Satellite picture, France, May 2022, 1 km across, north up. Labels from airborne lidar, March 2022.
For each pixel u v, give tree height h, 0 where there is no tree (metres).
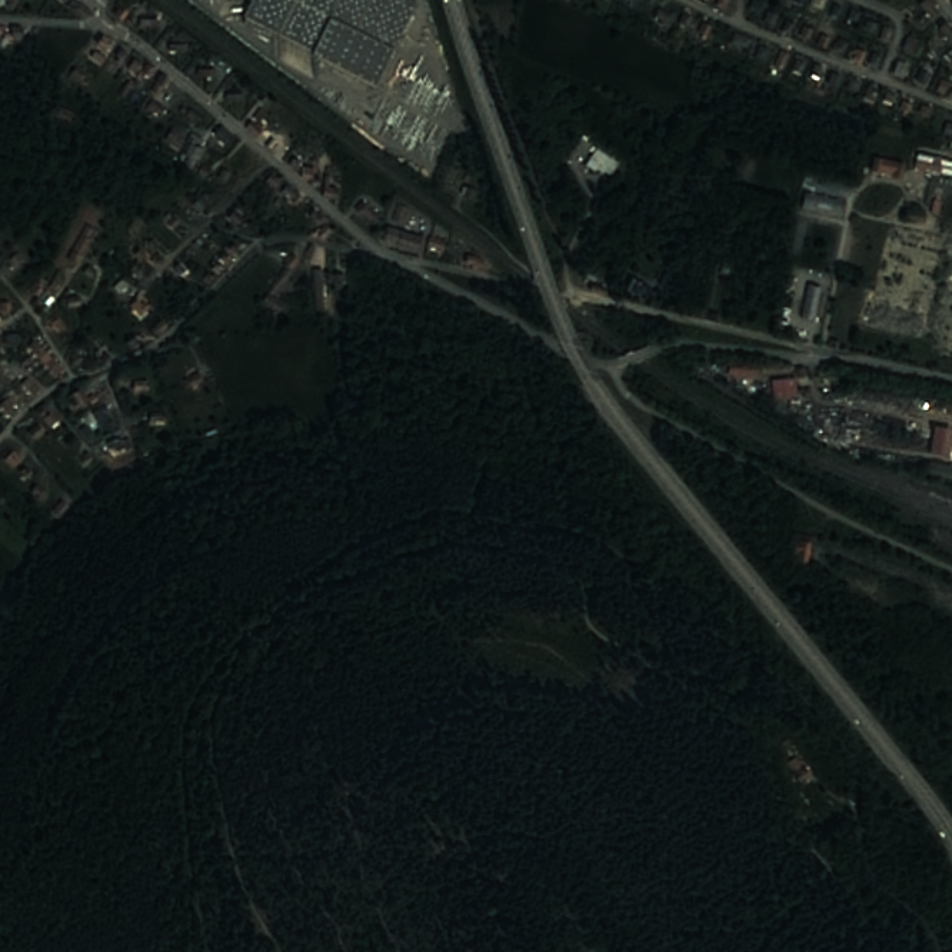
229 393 0
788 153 22
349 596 28
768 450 0
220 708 9
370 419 29
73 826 9
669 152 16
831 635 20
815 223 0
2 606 16
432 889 8
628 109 7
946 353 0
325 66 0
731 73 7
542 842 26
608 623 36
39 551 9
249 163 0
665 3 0
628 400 0
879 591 0
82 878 10
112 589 16
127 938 11
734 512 11
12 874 16
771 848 29
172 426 0
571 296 0
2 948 11
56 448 0
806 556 0
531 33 0
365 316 7
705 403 0
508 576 29
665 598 31
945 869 15
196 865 14
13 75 14
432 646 12
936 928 14
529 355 22
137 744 17
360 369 24
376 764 7
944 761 20
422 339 20
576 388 7
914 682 7
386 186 0
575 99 13
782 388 0
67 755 13
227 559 22
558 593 30
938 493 0
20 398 0
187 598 15
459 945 11
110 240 0
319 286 0
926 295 0
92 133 6
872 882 22
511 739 35
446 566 29
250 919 10
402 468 23
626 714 38
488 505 29
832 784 0
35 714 15
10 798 12
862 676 22
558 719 27
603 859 20
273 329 9
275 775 9
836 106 0
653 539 18
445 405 18
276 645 12
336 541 22
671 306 13
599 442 19
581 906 25
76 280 0
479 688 31
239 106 0
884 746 0
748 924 12
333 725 9
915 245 0
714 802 31
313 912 27
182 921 15
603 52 0
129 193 13
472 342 18
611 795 28
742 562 0
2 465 0
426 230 0
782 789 19
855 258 0
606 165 0
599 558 30
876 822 17
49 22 0
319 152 0
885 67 0
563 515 19
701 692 31
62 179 24
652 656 35
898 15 0
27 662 16
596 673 0
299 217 0
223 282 0
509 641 0
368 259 17
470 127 7
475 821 26
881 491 0
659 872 29
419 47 0
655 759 31
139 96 0
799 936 31
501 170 0
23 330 6
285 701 10
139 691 13
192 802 16
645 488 11
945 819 0
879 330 0
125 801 14
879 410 0
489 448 24
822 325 0
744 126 19
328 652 7
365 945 6
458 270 0
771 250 19
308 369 0
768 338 0
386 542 29
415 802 23
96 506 10
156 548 13
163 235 0
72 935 11
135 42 0
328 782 8
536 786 26
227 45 0
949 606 0
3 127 26
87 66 0
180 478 9
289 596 28
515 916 22
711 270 18
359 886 28
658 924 25
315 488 28
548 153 8
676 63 0
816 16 0
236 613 18
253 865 26
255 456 17
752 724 26
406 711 9
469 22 0
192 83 0
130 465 0
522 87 0
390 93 0
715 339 0
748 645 26
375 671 10
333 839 22
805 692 12
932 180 0
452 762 31
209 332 0
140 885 11
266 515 28
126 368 13
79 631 16
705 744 31
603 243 15
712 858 26
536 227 0
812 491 9
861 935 31
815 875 24
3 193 21
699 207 21
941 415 0
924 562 7
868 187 0
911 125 15
